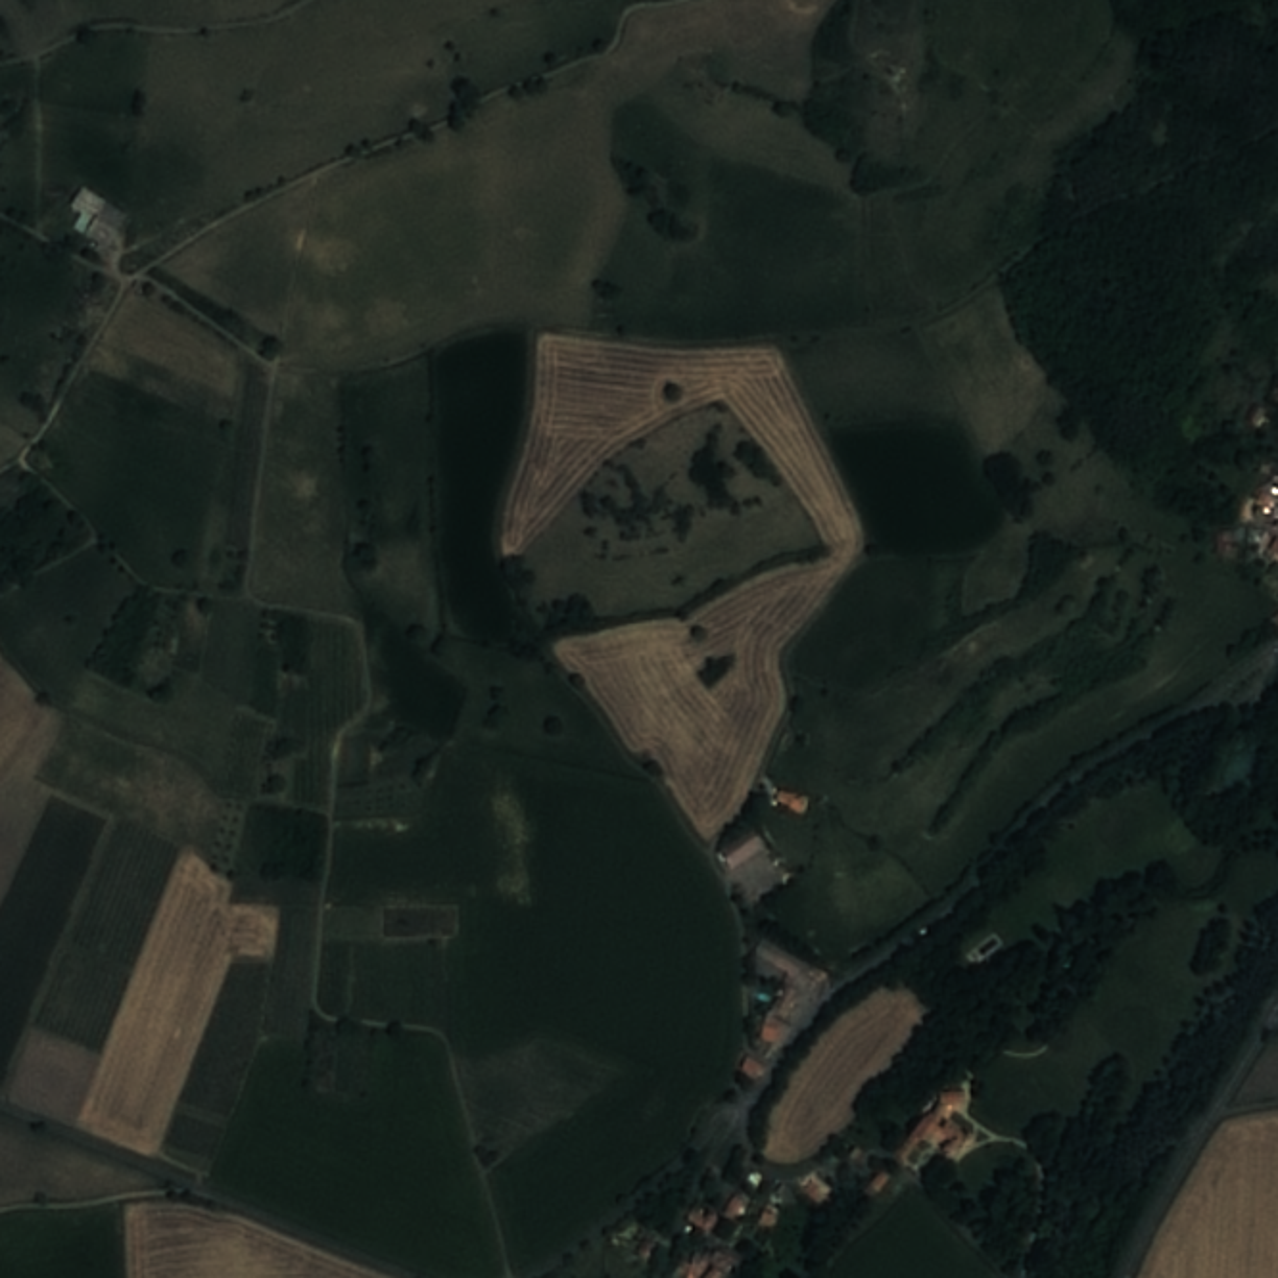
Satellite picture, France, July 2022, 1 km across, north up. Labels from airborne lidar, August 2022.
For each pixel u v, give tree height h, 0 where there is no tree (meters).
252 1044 0
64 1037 0
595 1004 0
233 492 0
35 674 0
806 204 0
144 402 0
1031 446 0
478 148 0
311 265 0
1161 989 0
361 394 0
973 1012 16
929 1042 16
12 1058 0
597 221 0
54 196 0
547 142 0
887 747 0
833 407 0
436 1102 0
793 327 0
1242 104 14
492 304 0
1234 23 14
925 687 0
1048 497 0
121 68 0
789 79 0
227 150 0
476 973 0
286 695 0
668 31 0
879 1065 0
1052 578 12
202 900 0
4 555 9
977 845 0
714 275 0
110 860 0
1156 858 0
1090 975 25
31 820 0
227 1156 0
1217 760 16
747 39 0
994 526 0
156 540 0
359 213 0
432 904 0
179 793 0
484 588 0
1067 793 13
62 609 0
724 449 0
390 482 0
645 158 0
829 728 0
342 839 0
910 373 0
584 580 0
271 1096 0
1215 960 12
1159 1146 12
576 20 0
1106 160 18
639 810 0
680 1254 9
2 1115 0
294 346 0
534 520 0
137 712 0
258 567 0
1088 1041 0
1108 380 6
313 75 0
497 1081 0
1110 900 24
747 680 0
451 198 0
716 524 0
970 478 0
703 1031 0
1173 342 10
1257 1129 0
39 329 0
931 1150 0
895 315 0
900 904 0
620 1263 0
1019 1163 10
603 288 9
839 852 0
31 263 0
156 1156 0
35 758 0
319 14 0
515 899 0
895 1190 0
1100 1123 16
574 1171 0
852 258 0
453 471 0
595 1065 0
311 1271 0
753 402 0
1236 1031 16
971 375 0
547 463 0
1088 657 8
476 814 0
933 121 0
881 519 0
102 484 0
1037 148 0
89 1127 0
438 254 0
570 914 0
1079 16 0
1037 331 15
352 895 0
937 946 16
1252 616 0
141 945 0
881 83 0
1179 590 0
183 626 0
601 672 0
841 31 0
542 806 0
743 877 0
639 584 0
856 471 0
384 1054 0
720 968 0
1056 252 12
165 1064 0
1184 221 10
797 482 0
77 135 0
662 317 0
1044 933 21
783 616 0
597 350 0
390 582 0
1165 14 10
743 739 0
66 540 7
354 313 0
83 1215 0
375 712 0
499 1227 0
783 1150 0
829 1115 0
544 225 0
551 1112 0
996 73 6
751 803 10
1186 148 6
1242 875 0
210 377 0
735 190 0
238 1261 0
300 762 0
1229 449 11
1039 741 0
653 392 0
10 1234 0
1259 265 9
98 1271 0
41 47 0
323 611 0
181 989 0
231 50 0
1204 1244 0
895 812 0
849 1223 15
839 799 0
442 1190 0
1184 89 6
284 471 0
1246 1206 0
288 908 0
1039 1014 20
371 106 0
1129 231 10
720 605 0
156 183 0
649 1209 9
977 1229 8
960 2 0
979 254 0
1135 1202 12
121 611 8
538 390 0
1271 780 20
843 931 0
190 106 0
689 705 0
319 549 0
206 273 0
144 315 0
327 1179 0
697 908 0
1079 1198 13
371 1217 0
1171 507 8
